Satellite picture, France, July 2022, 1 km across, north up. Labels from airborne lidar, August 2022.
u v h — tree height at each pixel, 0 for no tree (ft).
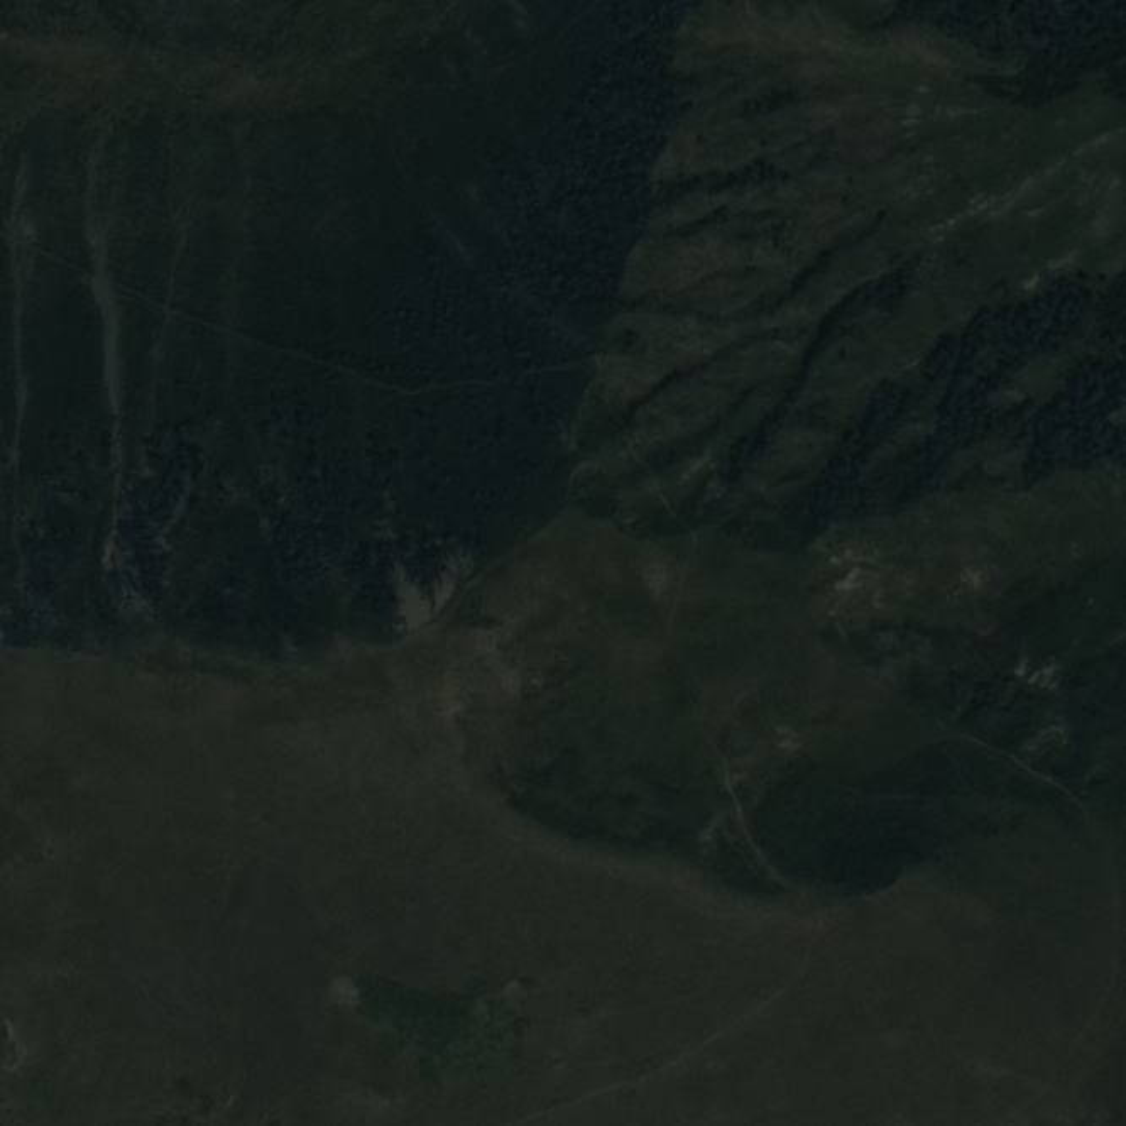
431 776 0
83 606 0
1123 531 0
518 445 0
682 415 0
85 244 0
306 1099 0
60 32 0
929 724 0
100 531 0
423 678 0
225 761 0
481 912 0
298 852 0
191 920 0
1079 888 0
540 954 0
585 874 0
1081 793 0
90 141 0
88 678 0
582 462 0
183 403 0
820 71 0
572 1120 0
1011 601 0
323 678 0
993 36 26
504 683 0
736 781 0
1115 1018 0
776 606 0
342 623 0
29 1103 0
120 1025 0
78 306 0
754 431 0
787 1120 0
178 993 0
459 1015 0
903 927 0
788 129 0
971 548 0
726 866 0
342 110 0
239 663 0
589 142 37
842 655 0
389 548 20
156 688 0
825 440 0
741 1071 0
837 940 0
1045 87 21
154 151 0
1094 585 0
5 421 0
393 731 0
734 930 0
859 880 0
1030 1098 0
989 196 0
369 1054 0
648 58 29
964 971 0
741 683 0
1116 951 0
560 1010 0
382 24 0
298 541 26
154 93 0
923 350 0
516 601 0
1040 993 0
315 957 0
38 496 0
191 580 0
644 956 0
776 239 21
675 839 0
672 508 0
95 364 0
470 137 0
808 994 0
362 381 0
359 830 0
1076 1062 0
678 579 0
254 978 0
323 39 0
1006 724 0
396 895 0
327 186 0
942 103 0
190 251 0
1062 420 28
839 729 0
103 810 0
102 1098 0
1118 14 34
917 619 0
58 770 0
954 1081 0
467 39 0
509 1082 0
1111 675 0
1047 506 0
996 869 0
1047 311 25
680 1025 0
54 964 0
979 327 24
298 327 0
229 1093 0
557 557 0
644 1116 0
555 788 0
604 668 0
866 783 0
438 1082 0
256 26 0
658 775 0
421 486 0
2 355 0
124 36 0
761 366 0
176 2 0
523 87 0
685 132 0
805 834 0
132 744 0
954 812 0
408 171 0
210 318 0
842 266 0
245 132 0
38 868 0
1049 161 0
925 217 0
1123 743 0
